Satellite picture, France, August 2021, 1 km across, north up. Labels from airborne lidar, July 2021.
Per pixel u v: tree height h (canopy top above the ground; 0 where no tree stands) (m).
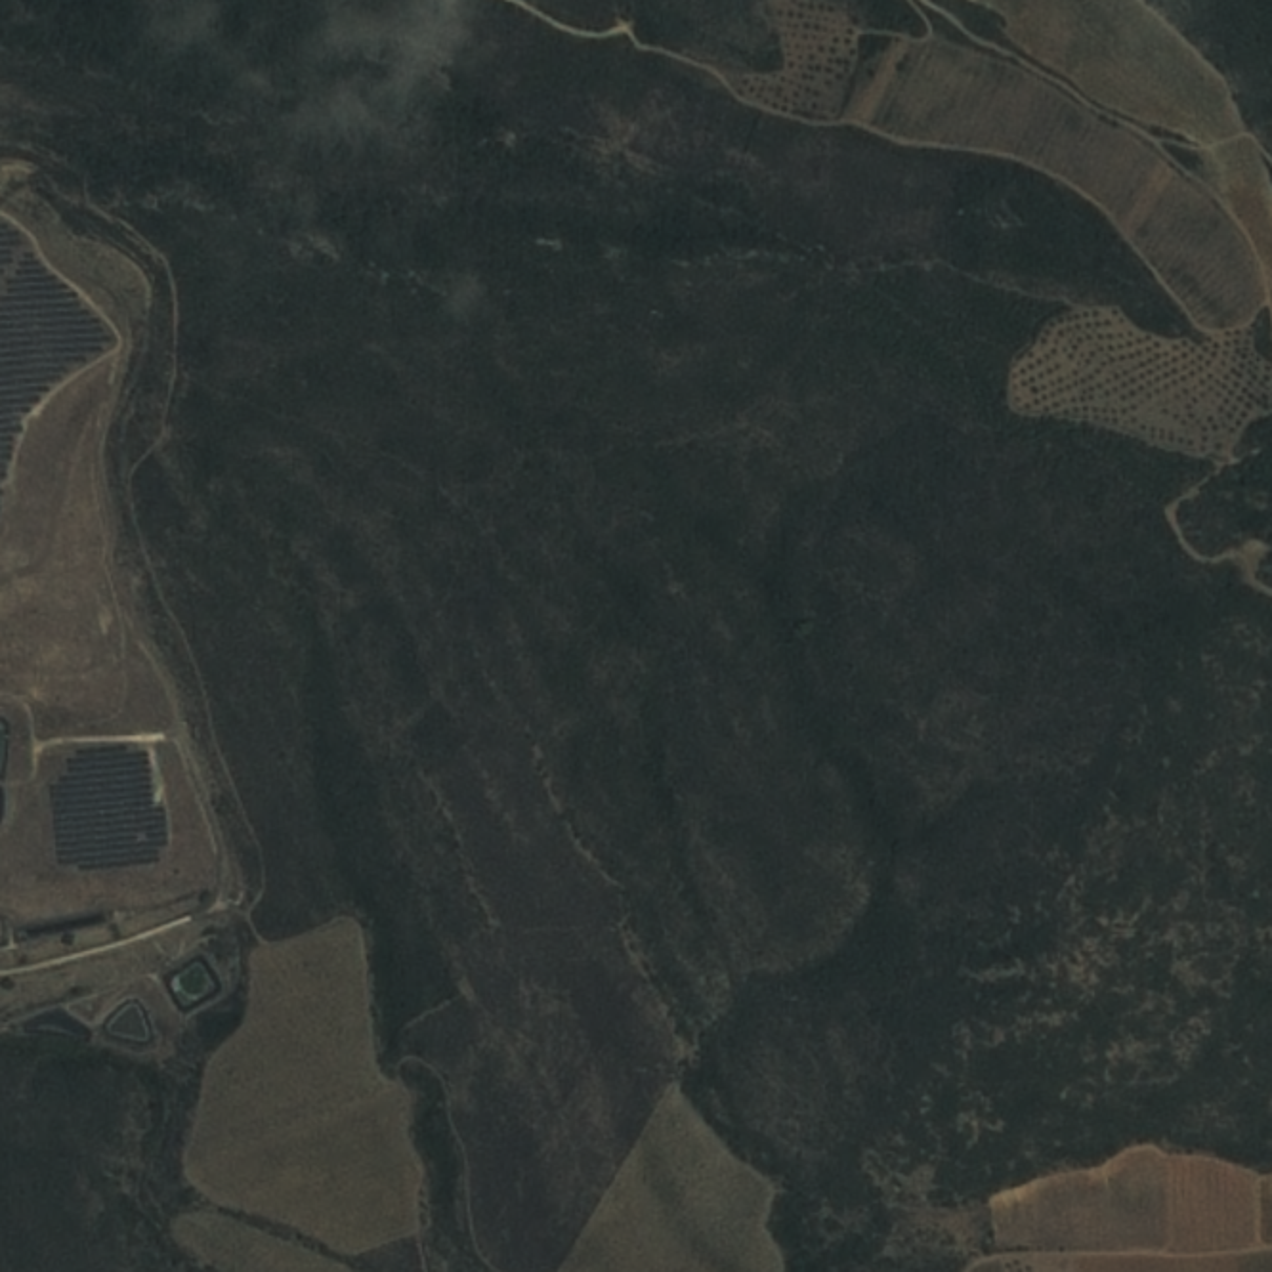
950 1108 0
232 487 0
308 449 0
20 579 0
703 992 0
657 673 0
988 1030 0
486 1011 0
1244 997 0
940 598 0
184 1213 0
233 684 0
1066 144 0
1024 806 0
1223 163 0
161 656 0
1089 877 0
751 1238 0
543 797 0
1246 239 0
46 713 0
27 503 0
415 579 0
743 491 0
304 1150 0
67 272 0
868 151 0
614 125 0
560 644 0
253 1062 0
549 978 0
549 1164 0
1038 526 0
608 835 0
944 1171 0
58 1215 0
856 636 0
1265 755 0
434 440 0
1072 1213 0
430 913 0
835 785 0
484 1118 0
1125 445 6
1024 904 0
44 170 0
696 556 0
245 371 0
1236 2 0
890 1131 0
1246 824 0
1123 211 0
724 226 6
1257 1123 0
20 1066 0
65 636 0
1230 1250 0
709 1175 0
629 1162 0
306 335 0
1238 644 0
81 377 0
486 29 0
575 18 0
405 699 0
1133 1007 0
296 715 0
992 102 0
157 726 0
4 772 0
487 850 0
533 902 0
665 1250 0
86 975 0
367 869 0
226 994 0
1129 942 0
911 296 5
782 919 0
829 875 0
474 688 0
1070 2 0
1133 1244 0
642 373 0
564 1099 0
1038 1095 0
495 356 0
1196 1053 0
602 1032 0
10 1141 0
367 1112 0
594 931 0
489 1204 0
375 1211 0
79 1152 0
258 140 0
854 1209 0
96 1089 0
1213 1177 0
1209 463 7
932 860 0
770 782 0
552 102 0
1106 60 0
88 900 0
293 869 0
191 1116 0
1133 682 0
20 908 0
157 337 0
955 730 0
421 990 0
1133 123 0
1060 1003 0
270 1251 0
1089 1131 0
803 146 0
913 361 6
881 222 0
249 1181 0
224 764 0
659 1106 0
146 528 0
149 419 0
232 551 0
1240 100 5
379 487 0
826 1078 0
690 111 0
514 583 0
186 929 0
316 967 0
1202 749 0
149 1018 0
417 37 0
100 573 0
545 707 0
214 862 0
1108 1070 0
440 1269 0
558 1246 0
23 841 0
